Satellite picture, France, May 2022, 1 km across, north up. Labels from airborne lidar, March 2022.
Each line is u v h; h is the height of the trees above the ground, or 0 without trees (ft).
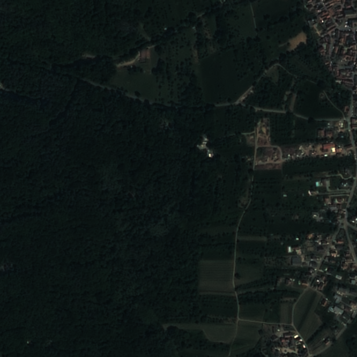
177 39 22
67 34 78
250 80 0
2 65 88
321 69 20
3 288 77
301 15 32
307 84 0
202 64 0
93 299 32
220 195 36
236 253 0
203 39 52
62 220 70
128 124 82
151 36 21
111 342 91
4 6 57
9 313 84
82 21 63
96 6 37
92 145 102
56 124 85
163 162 66
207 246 27
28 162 71
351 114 0
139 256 87
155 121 85
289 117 25
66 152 80
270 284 38
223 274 0
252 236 0
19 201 56
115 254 79
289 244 0
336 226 25
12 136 79
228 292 0
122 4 67
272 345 29
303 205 24
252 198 19
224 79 0
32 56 69
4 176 88
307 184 0
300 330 0
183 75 46
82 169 97
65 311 90
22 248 94
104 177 77
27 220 80
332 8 0
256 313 0
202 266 0
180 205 83
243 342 0
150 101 0
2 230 84
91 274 86
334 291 0
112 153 95
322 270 0
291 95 26
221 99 18
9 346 70
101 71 92
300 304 0
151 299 34
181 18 0
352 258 0
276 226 0
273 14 0
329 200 0
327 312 0
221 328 0
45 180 88
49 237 87
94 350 80
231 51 0
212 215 37
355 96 22
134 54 54
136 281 84
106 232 89
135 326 98
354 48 0
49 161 96
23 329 80
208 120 76
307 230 0
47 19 77
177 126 83
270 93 27
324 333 0
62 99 84
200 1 0
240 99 0
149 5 0
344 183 0
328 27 0
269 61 0
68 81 98
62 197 88
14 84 96
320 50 0
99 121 96
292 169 0
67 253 81
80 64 121
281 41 0
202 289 0
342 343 0
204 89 0
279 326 18
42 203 84
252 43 43
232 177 0
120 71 0
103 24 29
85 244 78
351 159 23
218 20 54
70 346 88
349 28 0
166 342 66
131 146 98
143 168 100
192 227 0
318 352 0
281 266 24
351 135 0
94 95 92
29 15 75
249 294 30
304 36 0
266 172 0
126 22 66
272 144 0
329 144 0
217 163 66
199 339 0
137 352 95
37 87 103
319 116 0
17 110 96
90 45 77
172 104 35
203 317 36
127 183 56
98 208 91
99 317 83
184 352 0
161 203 41
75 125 96
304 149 0
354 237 0
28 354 77
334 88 58
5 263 86
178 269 35
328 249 0
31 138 93
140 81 0
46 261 79
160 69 58
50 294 93
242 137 0
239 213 0
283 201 0
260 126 0
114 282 79
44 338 75
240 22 0
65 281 75
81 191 91
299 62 0
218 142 35
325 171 0
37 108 81
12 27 68
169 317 58
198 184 86
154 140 44
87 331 92
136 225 78
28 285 79
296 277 0
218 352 0
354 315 0
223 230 0
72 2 60
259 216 0
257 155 0
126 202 96
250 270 0
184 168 87
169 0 0
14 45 92
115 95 82
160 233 85
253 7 0
